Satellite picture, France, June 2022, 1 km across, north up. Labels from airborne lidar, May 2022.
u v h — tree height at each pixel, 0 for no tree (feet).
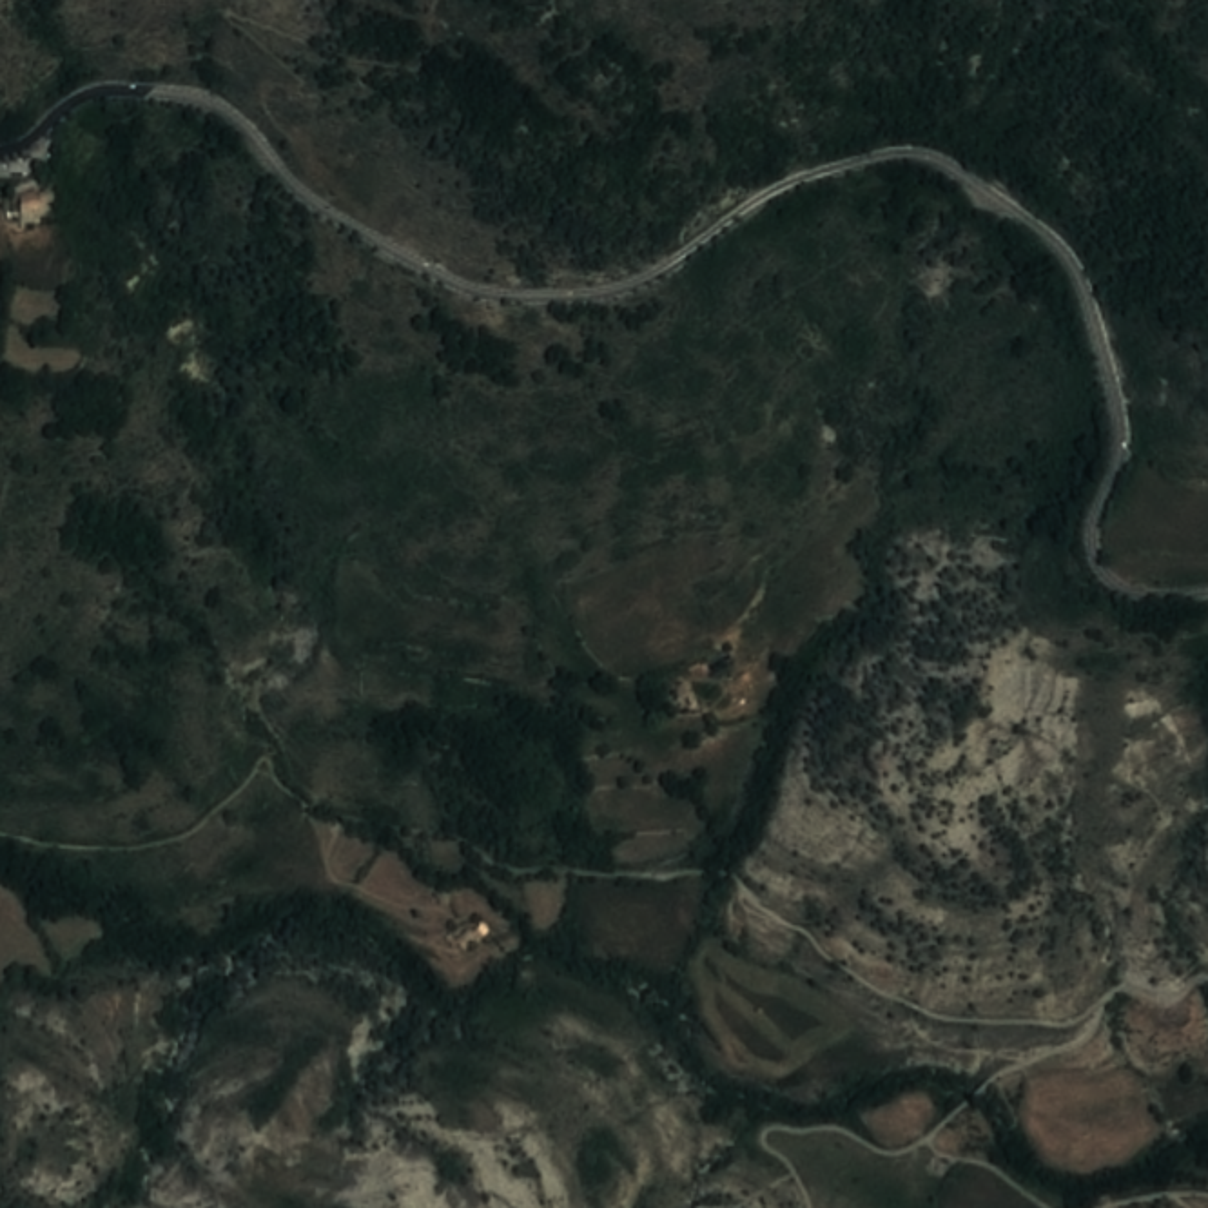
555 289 0
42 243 0
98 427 38
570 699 59
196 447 27
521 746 35
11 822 0
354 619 0
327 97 25
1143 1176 38
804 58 24
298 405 52
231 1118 0
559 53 30
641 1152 0
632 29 0
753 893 0
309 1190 0
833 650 28
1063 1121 0
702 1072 22
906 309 30
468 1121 0
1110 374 0
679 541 0
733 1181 0
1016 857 24
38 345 41
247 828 0
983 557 0
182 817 0
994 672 0
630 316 42
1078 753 0
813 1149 0
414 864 35
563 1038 0
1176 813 20
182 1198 0
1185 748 0
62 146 34
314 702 0
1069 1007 0
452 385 23
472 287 0
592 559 0
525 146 23
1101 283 23
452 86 22
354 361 35
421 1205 0
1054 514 33
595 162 23
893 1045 0
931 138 28
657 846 0
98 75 25
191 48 24
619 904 0
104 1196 34
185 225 53
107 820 0
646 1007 19
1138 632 32
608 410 52
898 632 31
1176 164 22
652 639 0
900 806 0
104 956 23
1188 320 22
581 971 47
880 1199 0
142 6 0
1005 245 24
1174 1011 0
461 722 42
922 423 28
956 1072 26
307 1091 0
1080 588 38
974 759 0
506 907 32
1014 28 38
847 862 0
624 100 22
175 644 37
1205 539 0
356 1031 0
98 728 20
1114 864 0
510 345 30
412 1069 19
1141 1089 0
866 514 0
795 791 0
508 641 0
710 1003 0
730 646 23
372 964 27
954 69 34
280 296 21
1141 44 31
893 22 51
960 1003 0
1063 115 22
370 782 0
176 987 38
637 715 0
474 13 0
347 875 0
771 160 40
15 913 0
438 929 0
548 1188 0
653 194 51
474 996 23
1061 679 0
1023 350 36
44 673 43
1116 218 36
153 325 34
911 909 0
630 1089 0
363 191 0
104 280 31
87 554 29
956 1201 0
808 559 0
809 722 24
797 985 0
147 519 39
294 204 33
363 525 18
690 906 0
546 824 24
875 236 28
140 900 23
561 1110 0
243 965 20
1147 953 0
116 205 54
